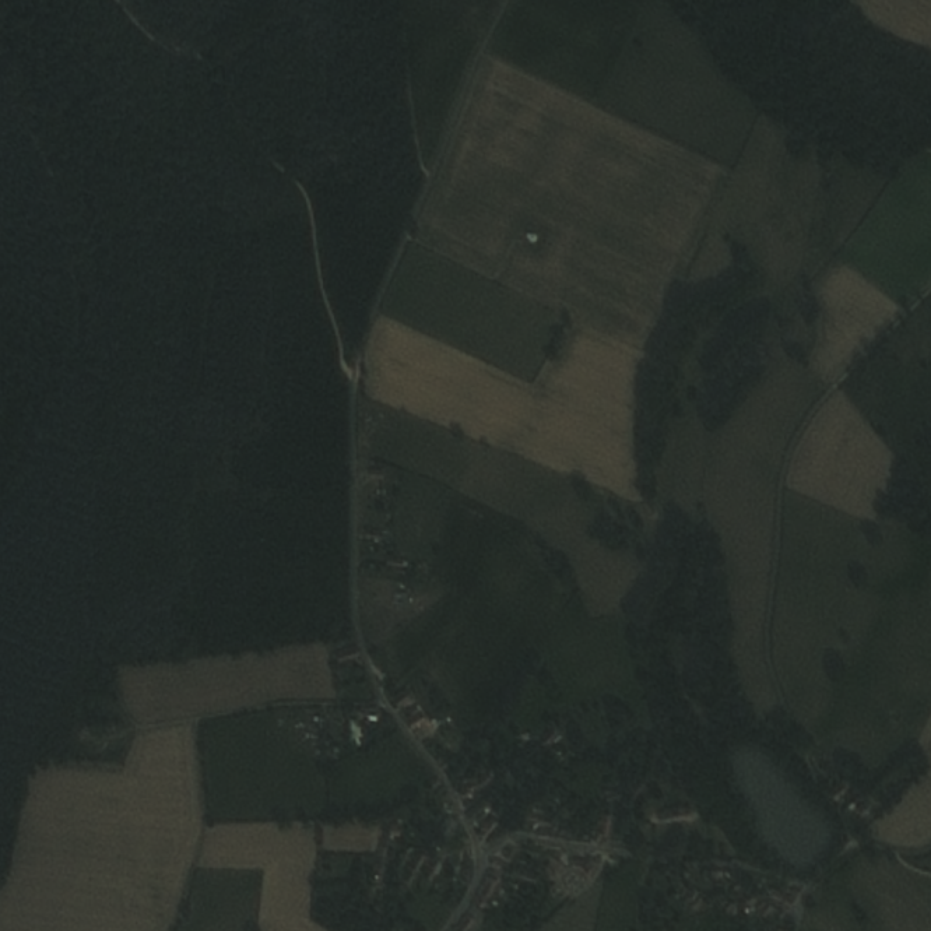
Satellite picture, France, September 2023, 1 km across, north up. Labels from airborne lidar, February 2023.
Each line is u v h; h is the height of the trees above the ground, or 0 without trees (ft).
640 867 0
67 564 98
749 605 0
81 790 0
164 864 0
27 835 0
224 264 46
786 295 0
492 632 0
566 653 0
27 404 75
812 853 0
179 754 0
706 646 51
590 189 0
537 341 0
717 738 48
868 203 0
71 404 93
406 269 0
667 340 72
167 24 47
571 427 0
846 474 0
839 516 0
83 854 0
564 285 0
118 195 62
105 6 58
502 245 0
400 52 46
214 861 0
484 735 25
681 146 0
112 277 73
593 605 0
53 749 65
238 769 0
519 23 0
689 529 45
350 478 36
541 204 0
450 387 0
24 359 93
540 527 0
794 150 53
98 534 77
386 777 0
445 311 0
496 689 0
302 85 80
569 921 0
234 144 68
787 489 0
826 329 0
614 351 0
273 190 82
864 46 62
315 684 0
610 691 0
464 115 0
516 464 0
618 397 0
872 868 0
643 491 51
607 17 0
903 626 0
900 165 27
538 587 0
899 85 57
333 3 40
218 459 76
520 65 0
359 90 54
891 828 0
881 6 0
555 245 0
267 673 0
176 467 83
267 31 51
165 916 0
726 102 0
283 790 0
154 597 70
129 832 0
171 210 73
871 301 0
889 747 0
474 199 0
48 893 0
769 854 49
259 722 0
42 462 79
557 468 0
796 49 67
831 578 0
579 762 26
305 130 63
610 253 0
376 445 0
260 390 33
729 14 75
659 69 0
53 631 101
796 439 0
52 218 81
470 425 0
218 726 0
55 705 78
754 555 0
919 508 68
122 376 71
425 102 0
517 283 0
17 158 99
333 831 0
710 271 0
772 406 0
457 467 0
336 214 28
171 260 73
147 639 84
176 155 62
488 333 0
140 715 0
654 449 75
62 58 66
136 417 66
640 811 50
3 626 87
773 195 0
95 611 87
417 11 0
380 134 54
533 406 0
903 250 0
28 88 81
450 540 0
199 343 71
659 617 72
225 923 0
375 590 0
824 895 0
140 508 70
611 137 0
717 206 0
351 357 24
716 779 64
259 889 0
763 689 0
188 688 0
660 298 0
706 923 0
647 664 53
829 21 44
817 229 0
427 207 0
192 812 0
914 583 0
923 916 0
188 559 59
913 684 0
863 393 0
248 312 52
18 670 97
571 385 0
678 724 68
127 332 83
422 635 0
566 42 0
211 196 77
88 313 70
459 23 0
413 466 0
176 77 61
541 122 0
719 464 0
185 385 77
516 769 66
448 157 0
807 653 0
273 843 0
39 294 92
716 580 79
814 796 58
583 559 0
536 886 23
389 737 21
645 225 0
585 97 0
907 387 0
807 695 0
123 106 35
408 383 0
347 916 37
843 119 31
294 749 0
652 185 0
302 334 23
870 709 0
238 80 65
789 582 0
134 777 0
